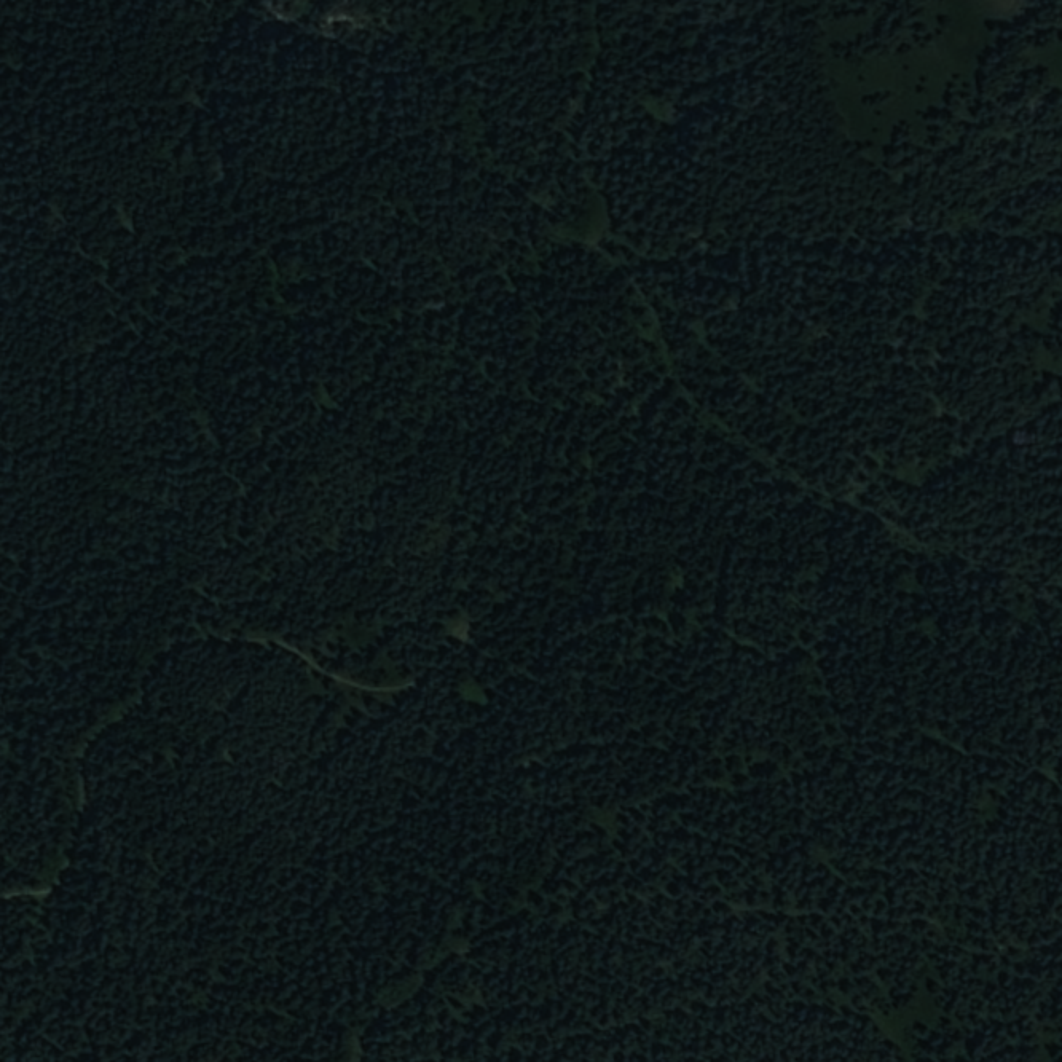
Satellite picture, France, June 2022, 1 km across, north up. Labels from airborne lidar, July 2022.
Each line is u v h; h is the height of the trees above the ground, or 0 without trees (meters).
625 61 19
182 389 20
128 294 30
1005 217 30
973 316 29
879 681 28
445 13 24
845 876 25
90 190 29
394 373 17
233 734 28
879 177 23
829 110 25
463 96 26
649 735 23
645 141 33
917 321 25
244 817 30
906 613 29
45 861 13
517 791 24
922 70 0
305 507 25
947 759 22
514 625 20
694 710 28
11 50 20
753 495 37
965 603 30
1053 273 19
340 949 19
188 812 29
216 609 26
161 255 30
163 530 15
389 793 30
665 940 18
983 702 21
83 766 7
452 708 27
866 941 17
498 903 26
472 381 25
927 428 18
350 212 30
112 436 14
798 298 29
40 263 26
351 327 9
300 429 13
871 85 0
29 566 21
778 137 23
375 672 5
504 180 19
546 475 27
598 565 21
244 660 26
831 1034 29
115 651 20
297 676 30
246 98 20
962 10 0
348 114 23
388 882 26
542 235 28
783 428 20
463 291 9
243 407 25
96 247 18
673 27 13
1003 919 25
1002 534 27
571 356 31
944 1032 7
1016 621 27
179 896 24
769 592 32
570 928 7
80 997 20
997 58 24
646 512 24
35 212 20
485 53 23
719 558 22
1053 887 16
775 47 22
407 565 22
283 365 30
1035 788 28
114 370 24
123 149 28
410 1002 9
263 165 27
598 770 27
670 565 13
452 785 25
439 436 21
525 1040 24
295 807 31
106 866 27
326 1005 15
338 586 24
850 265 31
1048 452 32
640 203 36
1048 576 25
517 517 24
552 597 27
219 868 26
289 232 29
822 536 30
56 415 25
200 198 22
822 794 31
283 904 24
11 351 26
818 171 24
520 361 31
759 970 23
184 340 25
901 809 24
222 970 8
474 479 29
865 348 20
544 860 20
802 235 20
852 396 12
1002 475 18
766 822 24
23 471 25
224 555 29
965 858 24
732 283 15
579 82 27
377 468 19
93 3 29
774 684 27
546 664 19
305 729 34
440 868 22
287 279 10
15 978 28
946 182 28
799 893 28
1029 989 26
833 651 17
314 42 15
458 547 21
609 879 13
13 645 29
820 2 10
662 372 21
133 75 29
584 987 23
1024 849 27
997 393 19
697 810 11
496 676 26
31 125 31
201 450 12
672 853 36
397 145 17
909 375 28
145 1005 23
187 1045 25
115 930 30
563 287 10
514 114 24
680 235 30
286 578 23
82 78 32
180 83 28
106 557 8
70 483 23
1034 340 23
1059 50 0
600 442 23
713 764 18
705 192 23
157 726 12
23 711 14
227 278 7
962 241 6
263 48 19
